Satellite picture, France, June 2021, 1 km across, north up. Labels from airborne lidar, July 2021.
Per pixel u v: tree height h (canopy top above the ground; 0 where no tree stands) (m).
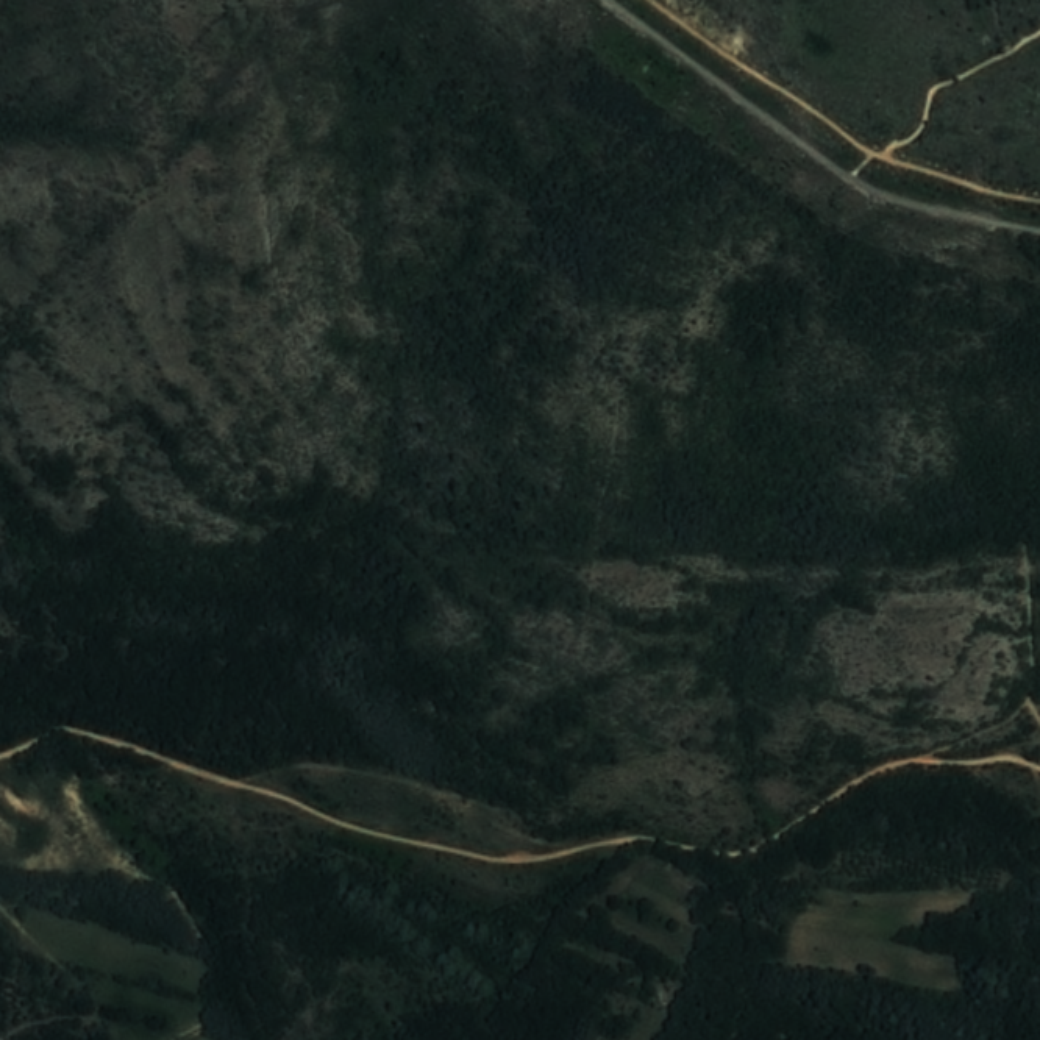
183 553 8
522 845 0
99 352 0
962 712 0
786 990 20
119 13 0
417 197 7
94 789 8
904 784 6
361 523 8
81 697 13
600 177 7
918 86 0
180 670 12
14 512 7
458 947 7
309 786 7
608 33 0
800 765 6
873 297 6
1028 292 6
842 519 8
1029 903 11
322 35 0
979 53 0
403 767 9
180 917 10
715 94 0
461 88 8
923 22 0
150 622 12
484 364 7
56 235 0
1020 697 8
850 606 7
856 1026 15
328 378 6
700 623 8
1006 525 15
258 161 0
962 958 12
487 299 9
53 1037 8
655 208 8
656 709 0
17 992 9
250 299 0
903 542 6
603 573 0
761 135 0
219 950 7
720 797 0
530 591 6
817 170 0
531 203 7
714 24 0
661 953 10
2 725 13
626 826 6
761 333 9
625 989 11
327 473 7
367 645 13
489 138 8
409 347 8
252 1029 9
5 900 6
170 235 0
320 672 13
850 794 10
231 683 13
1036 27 7
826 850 13
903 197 0
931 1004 14
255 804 0
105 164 0
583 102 7
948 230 0
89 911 12
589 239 8
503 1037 13
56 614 11
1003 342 10
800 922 0
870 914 0
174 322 0
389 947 10
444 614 0
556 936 14
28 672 16
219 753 9
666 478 10
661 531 12
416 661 9
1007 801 9
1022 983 14
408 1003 6
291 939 7
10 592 13
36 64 0
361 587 7
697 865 11
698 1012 18
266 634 12
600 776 0
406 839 0
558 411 0
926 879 6
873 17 0
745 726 9
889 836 10
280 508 11
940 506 10
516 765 10
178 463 8
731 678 9
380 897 12
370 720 10
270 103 0
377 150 9
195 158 0
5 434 0
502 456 9
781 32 0
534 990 7
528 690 0
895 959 0
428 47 7
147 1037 0
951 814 15
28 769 6
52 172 0
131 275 0
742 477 8
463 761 8
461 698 11
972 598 0
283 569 14
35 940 0
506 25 0
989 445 11
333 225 0
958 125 0
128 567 12
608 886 10
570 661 0
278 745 10
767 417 8
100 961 0
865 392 7
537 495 10
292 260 0
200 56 0
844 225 0
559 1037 15
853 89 0
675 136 6
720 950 17
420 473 12
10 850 0
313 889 14
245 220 0
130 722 13
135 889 8
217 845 7
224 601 13
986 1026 15
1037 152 0
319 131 0
